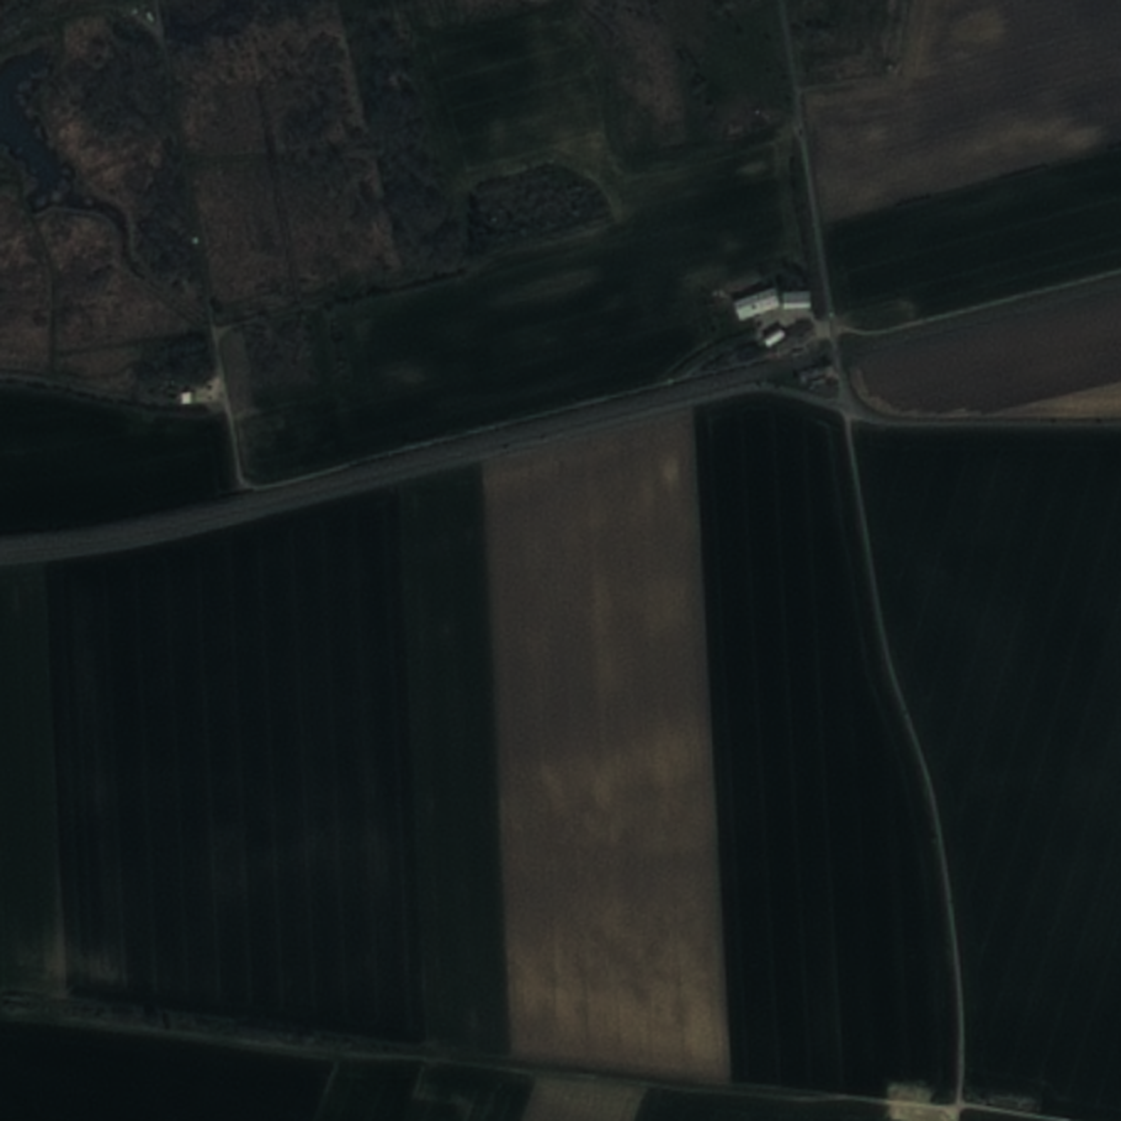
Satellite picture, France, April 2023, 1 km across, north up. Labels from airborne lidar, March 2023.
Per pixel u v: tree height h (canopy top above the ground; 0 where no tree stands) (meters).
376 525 0
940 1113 0
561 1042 0
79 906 0
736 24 0
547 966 0
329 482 0
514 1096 0
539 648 0
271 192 0
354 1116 0
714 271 0
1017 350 0
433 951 0
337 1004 0
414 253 18
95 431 0
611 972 0
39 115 0
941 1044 0
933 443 0
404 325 0
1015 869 0
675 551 0
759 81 0
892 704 0
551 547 0
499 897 0
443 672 0
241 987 0
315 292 0
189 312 0
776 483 0
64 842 0
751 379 0
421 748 0
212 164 0
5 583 0
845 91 0
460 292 0
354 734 0
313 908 0
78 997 0
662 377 0
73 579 0
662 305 0
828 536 0
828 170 0
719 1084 0
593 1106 0
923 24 0
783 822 0
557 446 0
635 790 0
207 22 0
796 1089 0
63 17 0
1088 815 0
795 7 0
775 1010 0
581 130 0
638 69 0
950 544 0
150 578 0
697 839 0
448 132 0
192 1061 0
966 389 0
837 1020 0
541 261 0
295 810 0
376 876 0
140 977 0
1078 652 0
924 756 0
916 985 0
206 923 0
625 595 0
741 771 0
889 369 0
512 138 0
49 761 0
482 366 0
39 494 0
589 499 0
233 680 0
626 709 0
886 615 0
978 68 0
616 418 0
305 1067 0
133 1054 0
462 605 0
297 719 0
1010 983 0
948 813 0
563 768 0
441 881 0
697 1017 0
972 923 0
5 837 0
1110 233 0
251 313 0
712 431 0
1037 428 0
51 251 0
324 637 0
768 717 0
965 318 0
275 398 0
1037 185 0
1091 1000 0
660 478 0
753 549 0
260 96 0
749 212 0
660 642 0
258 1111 0
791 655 0
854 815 0
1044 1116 0
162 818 0
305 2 20
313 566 0
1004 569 0
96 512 0
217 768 0
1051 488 0
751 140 0
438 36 0
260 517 0
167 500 0
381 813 0
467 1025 0
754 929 0
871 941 0
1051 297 0
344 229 0
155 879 0
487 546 0
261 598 0
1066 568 0
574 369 0
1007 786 0
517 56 0
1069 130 0
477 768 0
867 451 0
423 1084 0
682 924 0
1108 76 0
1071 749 0
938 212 0
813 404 0
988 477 0
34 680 0
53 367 0
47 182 0
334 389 0
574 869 0
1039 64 0
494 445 0
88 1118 0
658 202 0
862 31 0
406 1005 0
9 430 0
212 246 0
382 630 0
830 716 0
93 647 0
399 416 0
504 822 0
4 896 0
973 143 0
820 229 0
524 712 0
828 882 0
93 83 12
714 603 0
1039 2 0
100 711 0
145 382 13
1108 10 0
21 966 0
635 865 0
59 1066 0
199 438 0
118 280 0
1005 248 0
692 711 0
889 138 0
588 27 0
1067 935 0
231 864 0
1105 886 0
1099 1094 0
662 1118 0
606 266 0
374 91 13
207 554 0
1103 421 0
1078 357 0
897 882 0
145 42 16
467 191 0
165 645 0
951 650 0
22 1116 0
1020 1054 0
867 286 0
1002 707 0
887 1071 0
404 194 20
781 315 0
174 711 0
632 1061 0
